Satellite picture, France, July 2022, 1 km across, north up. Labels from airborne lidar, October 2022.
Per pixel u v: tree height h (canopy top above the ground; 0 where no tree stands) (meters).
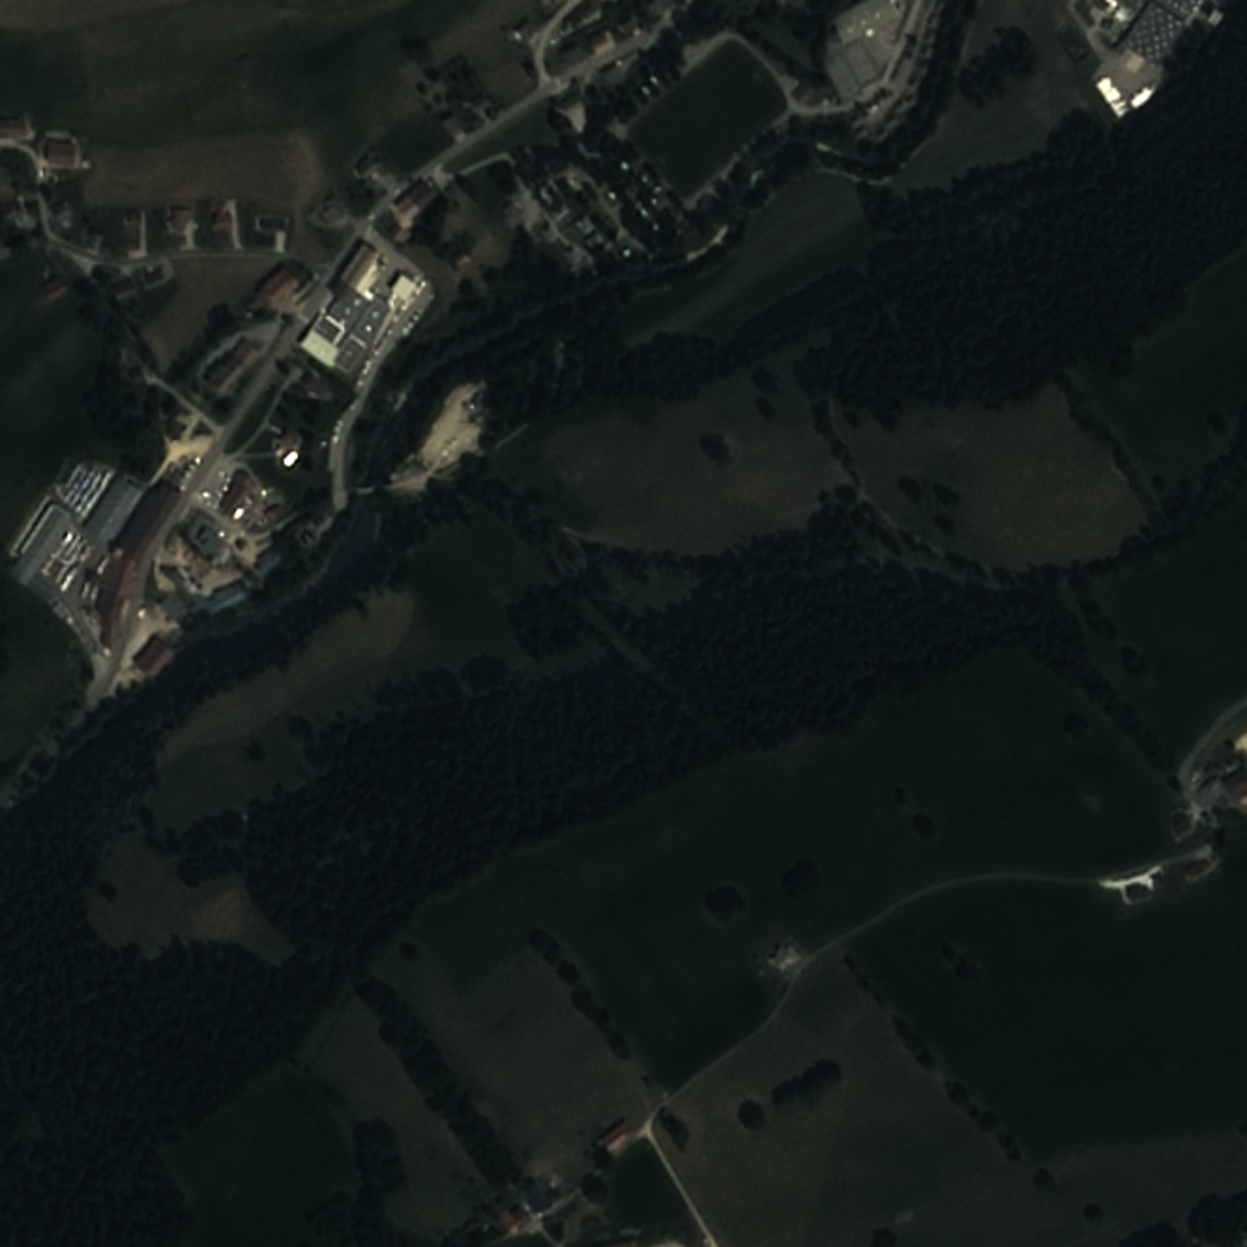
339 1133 0
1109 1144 0
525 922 0
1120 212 16
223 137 0
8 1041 20
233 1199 0
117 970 16
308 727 18
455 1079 11
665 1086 0
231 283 0
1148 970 0
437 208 13
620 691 31
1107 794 0
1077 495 0
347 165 0
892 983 0
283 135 0
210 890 0
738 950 0
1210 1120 0
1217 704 0
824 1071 14
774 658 25
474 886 0
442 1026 0
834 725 22
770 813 0
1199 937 0
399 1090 0
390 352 0
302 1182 0
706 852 0
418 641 0
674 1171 0
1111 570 9
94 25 0
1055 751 0
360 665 0
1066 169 20
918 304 9
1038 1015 0
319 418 9
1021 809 0
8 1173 7
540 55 0
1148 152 28
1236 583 0
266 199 0
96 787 34
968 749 0
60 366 0
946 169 0
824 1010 0
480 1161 17
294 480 0
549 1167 0
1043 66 0
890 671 25
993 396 17
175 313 0
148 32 0
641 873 0
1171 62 0
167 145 0
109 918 0
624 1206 0
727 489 0
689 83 0
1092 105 0
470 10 0
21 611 0
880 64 0
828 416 15
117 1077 16
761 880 0
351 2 0
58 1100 22
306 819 9
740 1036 0
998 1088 0
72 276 0
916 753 0
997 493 0
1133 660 14
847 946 0
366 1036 0
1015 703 0
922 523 0
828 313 18
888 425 19
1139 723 18
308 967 18
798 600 25
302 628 28
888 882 0
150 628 0
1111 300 24
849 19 0
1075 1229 0
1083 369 0
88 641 0
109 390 19
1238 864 0
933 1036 0
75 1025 22
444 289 0
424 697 27
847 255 0
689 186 0
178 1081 29
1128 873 0
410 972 0
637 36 0
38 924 21
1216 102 29
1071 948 0
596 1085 0
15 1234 8
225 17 0
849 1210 0
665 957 0
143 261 0
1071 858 0
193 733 0
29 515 0
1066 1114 0
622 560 18
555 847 0
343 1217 7
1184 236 14
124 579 0
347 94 0
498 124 0
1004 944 0
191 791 0
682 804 0
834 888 0
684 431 0
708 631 29
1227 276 0
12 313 0
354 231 0
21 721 0
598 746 25
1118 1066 0
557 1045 0
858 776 0
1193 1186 0
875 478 0
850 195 0
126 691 14
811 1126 0
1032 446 0
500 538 0
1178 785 12
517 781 29
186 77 0
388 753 9
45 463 0
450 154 0
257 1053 20
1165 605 0
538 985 0
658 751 26
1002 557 0
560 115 10
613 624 7
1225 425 17
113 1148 17
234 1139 0
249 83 0
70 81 0
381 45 0
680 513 0
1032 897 0
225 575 0
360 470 10
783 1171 0
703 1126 0
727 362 14
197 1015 22
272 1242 0
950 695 0
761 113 0
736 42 0
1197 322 0
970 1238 0
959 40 14
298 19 0
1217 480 20
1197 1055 0
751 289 0
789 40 0
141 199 0
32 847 31
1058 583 14
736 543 0
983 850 0
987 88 22
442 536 0
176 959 25
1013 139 0
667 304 0
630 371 21
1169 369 0
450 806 25
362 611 17
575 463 0
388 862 25
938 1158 0
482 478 8
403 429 6
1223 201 16
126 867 0
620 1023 0
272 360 0
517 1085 0
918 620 27
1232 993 0
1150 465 0
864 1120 0
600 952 0
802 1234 0
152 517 0
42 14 0
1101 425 16
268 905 25
